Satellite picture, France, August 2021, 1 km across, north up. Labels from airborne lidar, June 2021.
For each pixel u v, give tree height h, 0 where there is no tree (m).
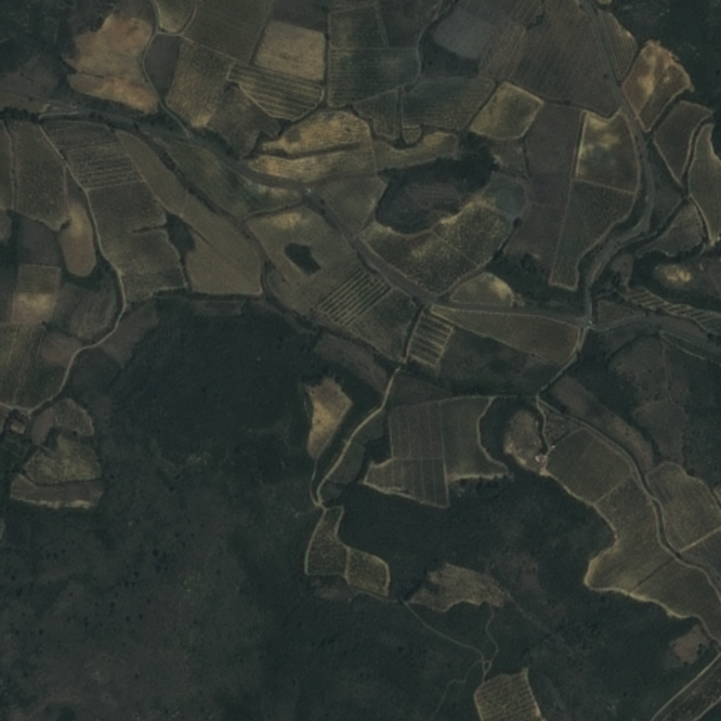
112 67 0
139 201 0
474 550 0
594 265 0
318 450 0
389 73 0
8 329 0
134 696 0
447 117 0
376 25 0
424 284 0
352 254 0
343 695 0
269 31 0
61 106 0
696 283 0
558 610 0
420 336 0
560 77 0
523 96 0
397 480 0
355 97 0
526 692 0
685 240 0
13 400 0
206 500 0
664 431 0
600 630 7
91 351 0
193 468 0
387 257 0
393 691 0
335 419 0
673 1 0
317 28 0
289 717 0
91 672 0
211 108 0
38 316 0
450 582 0
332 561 0
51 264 0
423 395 0
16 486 0
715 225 0
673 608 0
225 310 0
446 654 0
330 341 0
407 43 0
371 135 0
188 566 0
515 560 0
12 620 0
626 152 0
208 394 7
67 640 0
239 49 0
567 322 0
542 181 0
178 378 0
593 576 0
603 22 0
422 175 0
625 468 0
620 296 9
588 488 0
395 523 0
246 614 0
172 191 0
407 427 0
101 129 0
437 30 0
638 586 0
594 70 0
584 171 0
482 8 0
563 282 0
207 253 0
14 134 0
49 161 0
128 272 0
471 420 0
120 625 0
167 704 0
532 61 0
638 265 6
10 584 0
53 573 0
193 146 0
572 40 0
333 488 0
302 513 0
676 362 0
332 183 0
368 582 0
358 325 0
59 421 0
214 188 0
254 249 0
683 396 0
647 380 0
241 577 0
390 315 0
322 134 0
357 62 0
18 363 0
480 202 0
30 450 6
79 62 0
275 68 0
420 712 0
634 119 0
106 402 0
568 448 0
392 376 6
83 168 0
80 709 0
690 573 0
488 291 0
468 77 0
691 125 0
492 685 0
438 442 0
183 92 0
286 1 0
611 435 0
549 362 0
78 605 0
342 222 0
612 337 0
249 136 0
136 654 0
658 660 0
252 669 0
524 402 7
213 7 0
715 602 0
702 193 0
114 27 0
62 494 0
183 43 0
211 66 0
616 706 0
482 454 0
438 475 0
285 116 0
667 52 0
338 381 9
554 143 0
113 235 0
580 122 0
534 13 0
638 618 0
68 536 0
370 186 0
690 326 0
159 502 0
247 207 0
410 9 0
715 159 0
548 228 0
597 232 0
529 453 0
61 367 0
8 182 0
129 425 0
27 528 0
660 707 0
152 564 0
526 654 7
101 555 0
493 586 0
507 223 0
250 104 0
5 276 0
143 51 0
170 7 0
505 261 10
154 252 0
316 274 0
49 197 0
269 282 0
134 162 0
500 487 11
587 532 0
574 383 0
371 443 5
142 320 0
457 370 0
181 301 0
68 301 0
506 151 0
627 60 0
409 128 0
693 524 0
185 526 0
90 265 0
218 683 0
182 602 0
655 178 0
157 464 0
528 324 0
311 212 0
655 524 0
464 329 0
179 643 0
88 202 0
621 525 0
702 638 0
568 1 0
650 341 0
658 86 0
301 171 0
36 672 0
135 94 0
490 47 0
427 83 0
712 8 0
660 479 0
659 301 0
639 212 0
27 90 0
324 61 0
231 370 0
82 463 0
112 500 0
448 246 0
